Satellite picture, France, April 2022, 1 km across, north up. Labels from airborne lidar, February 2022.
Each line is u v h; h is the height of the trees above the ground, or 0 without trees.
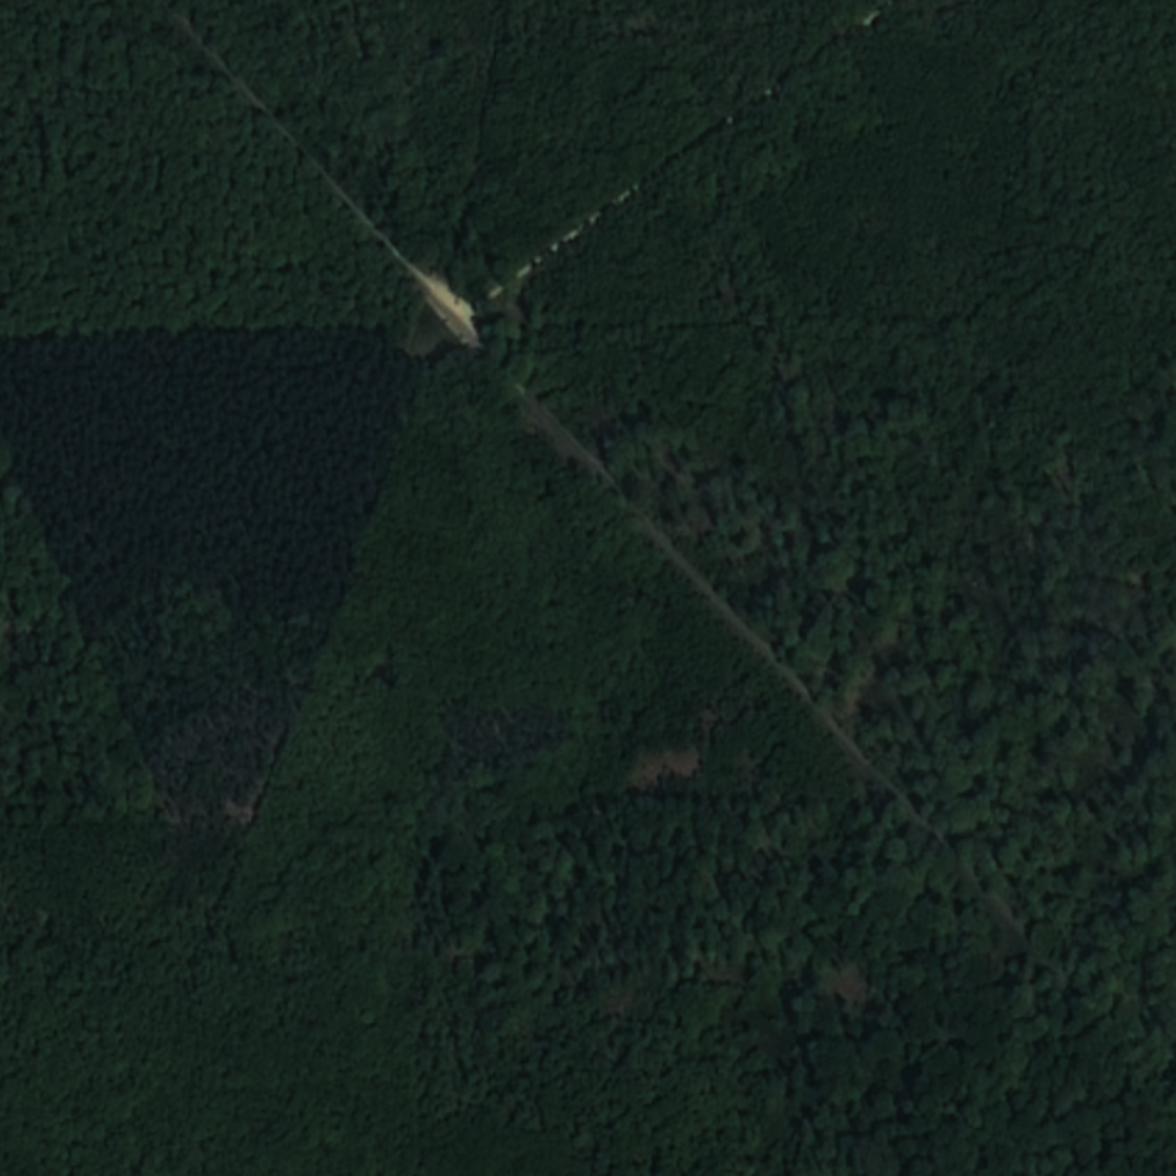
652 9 18
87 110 21
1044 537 13
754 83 14
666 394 10
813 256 16
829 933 29
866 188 15
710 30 8
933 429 14
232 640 24
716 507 35
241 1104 21
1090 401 14
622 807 9
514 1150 10
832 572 39
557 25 12
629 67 9
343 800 19
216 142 23
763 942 35
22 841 10
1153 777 42
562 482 18
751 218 15
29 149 19
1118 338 17
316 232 25
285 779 13
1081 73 20
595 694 22
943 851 28
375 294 26
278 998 17
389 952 13
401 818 25
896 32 12
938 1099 32
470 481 24
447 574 21
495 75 9
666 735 10
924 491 13
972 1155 32
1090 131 21
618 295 13
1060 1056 33
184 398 30
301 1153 25
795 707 13
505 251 15
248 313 25
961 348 23
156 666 30
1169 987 41
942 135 16
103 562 36
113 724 21
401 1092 15
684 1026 21
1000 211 16
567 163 10
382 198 7
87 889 16
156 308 24
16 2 26
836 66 20
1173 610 24
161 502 37
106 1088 19
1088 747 39
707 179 20
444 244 18
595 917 29
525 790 29
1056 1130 18
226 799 22
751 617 9
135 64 24
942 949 31
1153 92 16
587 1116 11
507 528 25
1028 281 22
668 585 13
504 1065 13
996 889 31
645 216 12
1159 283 23
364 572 21
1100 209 22
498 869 32
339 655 17
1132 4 18
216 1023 21
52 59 20
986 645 14
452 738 29
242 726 29
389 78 11
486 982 25
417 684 18
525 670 26
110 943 8
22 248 21
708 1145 17
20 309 25
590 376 16
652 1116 20
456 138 10
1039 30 17
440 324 0
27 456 32
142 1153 18
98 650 22
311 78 22
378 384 35
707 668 11
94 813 29
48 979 17
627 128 18
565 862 36
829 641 36
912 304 14
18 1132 20
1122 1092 21
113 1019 21
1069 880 18
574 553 22
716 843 29
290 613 30
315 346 34
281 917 23
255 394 35
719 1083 28
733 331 14
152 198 24
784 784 14
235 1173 22
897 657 0
